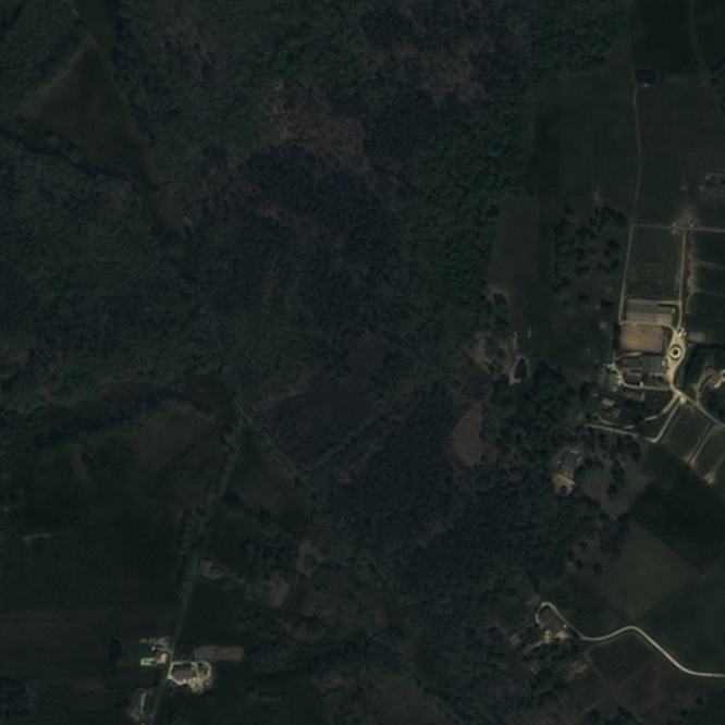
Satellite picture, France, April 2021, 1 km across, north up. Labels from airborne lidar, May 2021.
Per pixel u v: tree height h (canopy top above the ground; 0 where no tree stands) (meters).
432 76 17
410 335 12
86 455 0
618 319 0
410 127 24
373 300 15
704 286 0
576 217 15
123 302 23
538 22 14
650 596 0
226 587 11
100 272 14
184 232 0
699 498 0
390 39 24
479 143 20
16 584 0
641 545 0
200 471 0
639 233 0
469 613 16
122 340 25
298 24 11
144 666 0
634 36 0
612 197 0
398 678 19
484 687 17
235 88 14
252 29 17
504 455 19
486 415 19
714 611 0
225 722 0
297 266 20
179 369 12
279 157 22
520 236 0
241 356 14
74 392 19
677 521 0
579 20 16
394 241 21
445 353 14
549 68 17
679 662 0
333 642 0
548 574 23
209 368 29
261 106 20
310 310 16
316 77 18
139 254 22
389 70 17
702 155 0
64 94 0
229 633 0
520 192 25
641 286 0
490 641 10
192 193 12
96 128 0
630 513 0
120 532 0
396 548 20
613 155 0
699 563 0
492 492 14
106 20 0
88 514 0
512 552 25
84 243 21
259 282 22
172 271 17
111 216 17
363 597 24
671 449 0
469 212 20
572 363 0
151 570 0
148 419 12
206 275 20
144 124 24
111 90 0
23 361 9
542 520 18
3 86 20
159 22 15
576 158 0
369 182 17
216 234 17
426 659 0
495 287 0
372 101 20
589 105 0
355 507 22
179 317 12
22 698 15
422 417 22
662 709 0
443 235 18
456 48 26
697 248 0
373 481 8
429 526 20
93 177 22
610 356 0
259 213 6
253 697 11
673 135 0
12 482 0
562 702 18
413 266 11
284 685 0
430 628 18
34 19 22
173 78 15
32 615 0
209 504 9
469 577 21
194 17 15
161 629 0
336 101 21
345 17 25
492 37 18
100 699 0
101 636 0
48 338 21
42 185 18
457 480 25
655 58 0
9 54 21
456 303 19
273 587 0
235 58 18
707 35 0
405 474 21
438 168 14
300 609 0
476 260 21
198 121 18
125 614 0
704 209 0
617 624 0
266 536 7
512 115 12
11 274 29
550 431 19
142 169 0
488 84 9
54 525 0
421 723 0
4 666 0
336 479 13
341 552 20
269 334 17
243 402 13
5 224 23
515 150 20
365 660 19
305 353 12
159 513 0
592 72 16
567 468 0
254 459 0
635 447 23
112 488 0
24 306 26
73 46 27
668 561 0
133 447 0
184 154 20
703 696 0
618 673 0
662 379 10
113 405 0
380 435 13
